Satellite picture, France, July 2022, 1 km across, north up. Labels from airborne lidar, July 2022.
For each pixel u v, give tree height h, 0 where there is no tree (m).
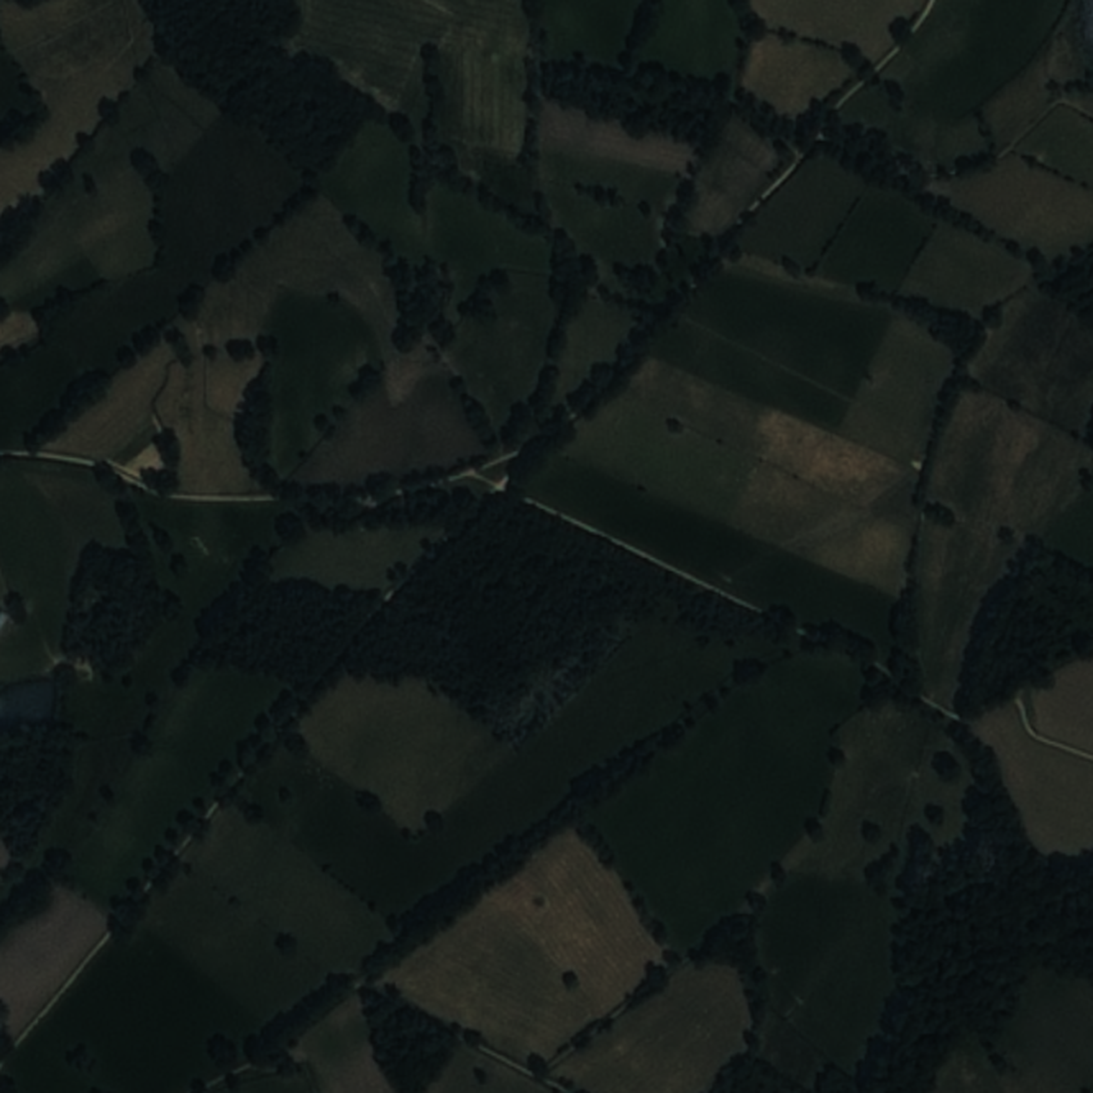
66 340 0
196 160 0
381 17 0
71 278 0
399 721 0
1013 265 0
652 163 0
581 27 0
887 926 0
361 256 0
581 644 22
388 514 15
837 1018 0
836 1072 14
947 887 22
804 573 0
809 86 0
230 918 0
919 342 0
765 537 0
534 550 15
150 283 0
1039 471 0
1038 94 0
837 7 0
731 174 0
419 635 18
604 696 0
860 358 0
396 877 0
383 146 0
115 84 0
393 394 0
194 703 0
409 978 0
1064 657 7
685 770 0
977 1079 0
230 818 0
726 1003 0
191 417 0
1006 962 26
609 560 14
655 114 21
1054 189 0
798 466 0
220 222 0
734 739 0
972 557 0
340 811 0
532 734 9
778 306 0
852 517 0
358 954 0
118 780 0
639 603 8
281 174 0
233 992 0
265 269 0
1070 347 0
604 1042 0
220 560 0
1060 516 0
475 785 0
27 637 0
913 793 0
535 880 0
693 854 0
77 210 0
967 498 0
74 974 0
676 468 0
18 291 0
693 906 0
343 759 0
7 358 15
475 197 8
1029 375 0
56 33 0
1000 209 0
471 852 0
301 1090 0
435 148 14
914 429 0
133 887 15
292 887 0
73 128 0
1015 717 0
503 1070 0
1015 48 0
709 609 16
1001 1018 22
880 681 16
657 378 0
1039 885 28
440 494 7
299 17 21
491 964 0
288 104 15
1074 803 0
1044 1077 0
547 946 0
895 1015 23
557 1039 0
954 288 0
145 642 21
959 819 0
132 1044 0
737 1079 12
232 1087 16
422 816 0
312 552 0
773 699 0
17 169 0
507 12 0
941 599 0
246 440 22
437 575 16
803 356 0
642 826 0
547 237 13
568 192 0
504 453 0
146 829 0
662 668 0
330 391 0
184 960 0
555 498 0
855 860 0
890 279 0
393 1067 21
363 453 0
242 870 0
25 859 10
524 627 22
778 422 0
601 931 0
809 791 0
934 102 0
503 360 0
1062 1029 0
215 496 0
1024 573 19
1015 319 0
